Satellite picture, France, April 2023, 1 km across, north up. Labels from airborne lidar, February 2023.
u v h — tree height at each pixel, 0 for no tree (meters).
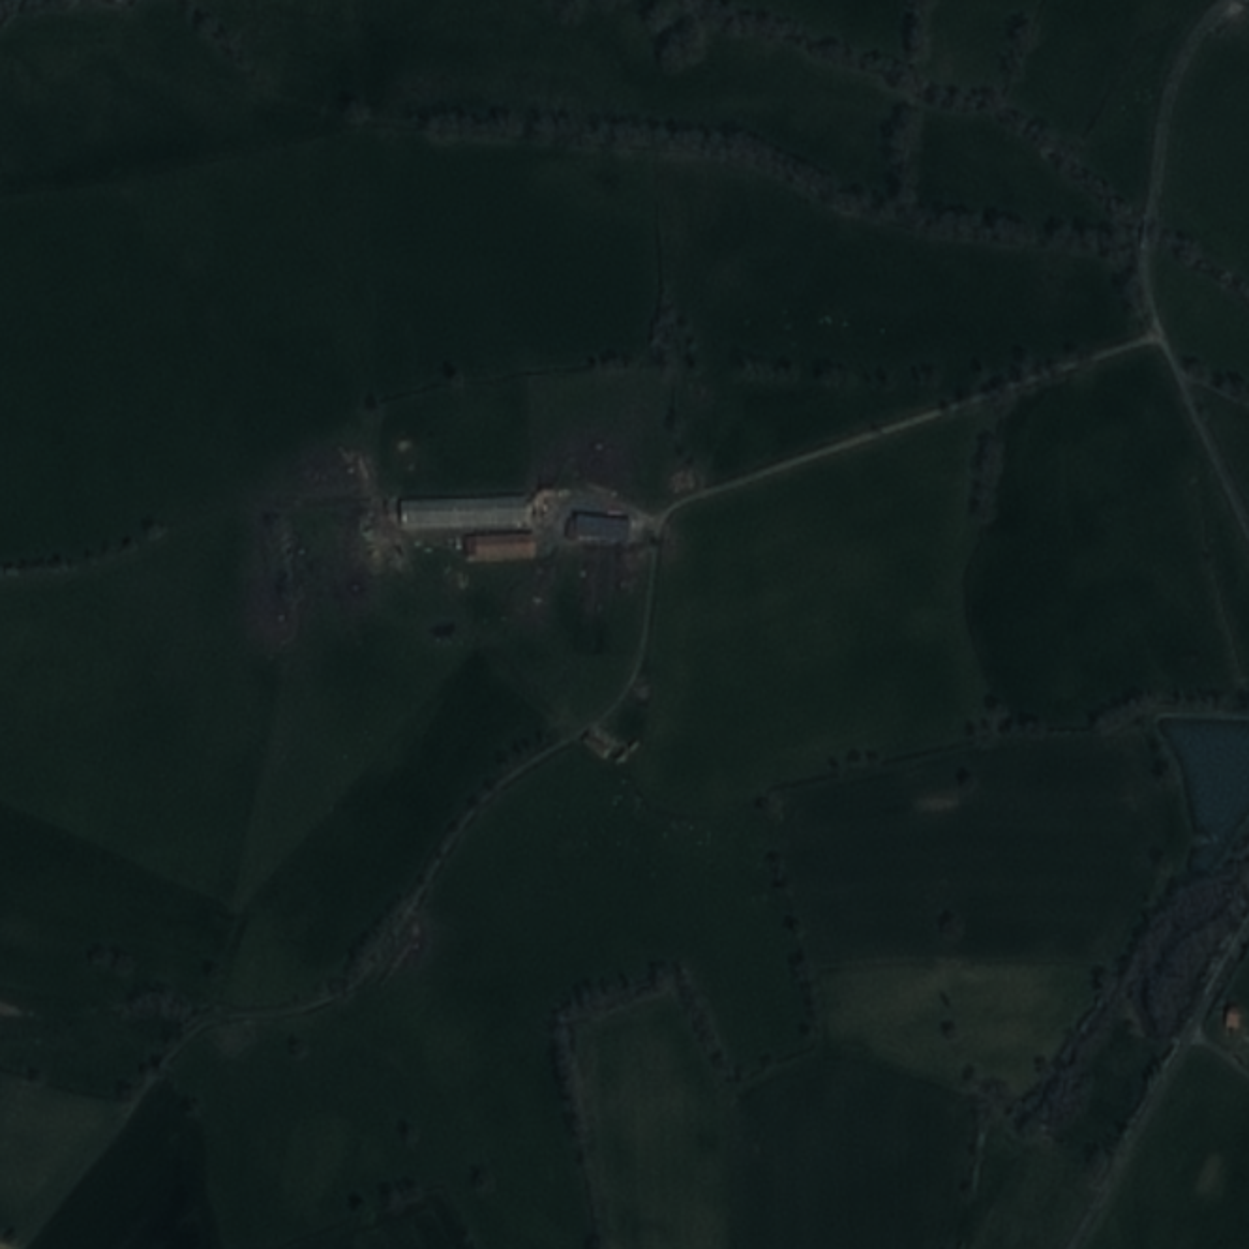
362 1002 0
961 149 0
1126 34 0
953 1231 0
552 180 0
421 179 0
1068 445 0
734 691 0
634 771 0
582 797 0
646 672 0
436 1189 0
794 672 0
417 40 0
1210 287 0
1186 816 0
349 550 0
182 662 0
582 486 0
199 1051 0
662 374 13
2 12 17
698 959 0
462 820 0
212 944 0
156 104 0
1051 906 0
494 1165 0
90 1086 0
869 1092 0
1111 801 0
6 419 0
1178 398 0
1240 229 0
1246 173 0
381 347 0
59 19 0
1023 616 0
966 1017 0
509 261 0
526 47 0
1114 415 0
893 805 0
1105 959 0
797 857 0
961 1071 0
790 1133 0
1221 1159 0
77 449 0
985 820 0
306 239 0
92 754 0
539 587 0
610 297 0
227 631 0
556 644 0
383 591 0
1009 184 0
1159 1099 0
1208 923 14
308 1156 0
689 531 0
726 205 0
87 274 0
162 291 0
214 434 0
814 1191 0
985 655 0
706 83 0
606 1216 0
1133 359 0
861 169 0
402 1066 0
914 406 0
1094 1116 0
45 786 0
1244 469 0
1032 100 0
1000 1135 0
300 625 0
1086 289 0
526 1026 0
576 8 23
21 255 0
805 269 0
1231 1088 0
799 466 0
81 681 0
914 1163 0
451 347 0
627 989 13
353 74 0
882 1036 0
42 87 0
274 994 0
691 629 0
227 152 0
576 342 0
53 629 0
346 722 0
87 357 0
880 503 0
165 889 0
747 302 0
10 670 0
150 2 0
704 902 0
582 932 0
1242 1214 0
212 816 0
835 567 0
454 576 0
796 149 0
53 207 0
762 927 0
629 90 0
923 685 0
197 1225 0
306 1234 0
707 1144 0
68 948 0
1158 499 0
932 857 0
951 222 21
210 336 0
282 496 0
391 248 0
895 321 0
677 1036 0
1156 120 0
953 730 0
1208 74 0
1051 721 0
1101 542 0
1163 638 0
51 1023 0
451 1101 0
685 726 0
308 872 0
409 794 0
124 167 0
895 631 0
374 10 0
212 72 0
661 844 0
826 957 0
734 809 0
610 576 0
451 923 0
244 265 0
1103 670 0
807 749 0
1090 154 0
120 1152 0
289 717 0
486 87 0
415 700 0
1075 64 0
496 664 0
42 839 0
